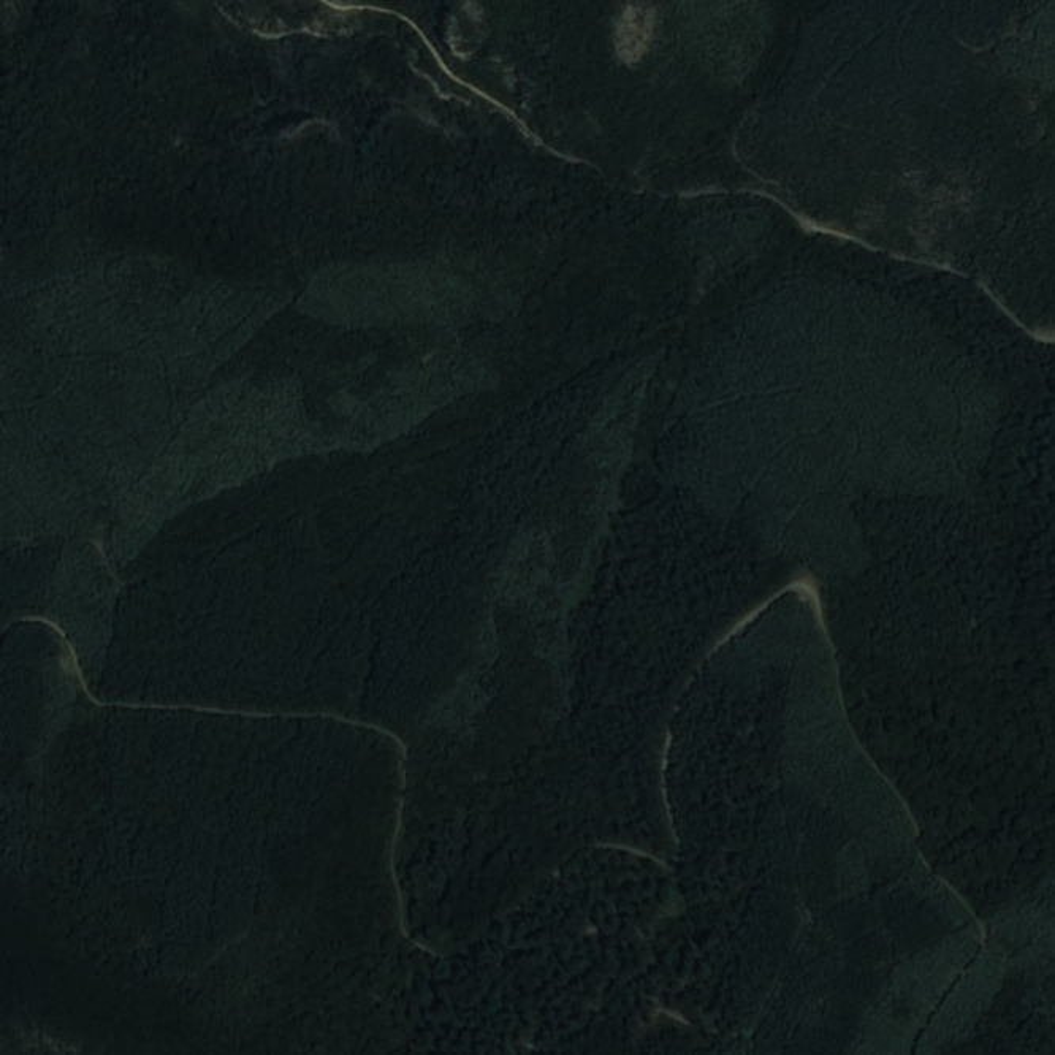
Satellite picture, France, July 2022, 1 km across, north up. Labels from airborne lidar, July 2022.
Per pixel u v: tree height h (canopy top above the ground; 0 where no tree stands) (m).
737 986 20
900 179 6
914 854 13
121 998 21
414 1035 10
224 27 7
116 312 7
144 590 12
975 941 10
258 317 11
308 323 12
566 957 22
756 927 20
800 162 6
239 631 16
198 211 22
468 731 17
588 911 23
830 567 12
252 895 19
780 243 12
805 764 15
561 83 13
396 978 17
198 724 14
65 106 7
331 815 17
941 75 10
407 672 16
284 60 6
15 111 13
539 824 17
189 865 21
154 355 9
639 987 20
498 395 14
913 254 6
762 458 9
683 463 10
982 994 16
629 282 10
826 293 10
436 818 17
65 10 12
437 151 18
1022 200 11
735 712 16
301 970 15
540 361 13
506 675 23
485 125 9
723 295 14
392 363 17
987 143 12
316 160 12
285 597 16
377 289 10
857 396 10
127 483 11
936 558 25
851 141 9
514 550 11
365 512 15
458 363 13
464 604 17
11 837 22
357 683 14
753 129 7
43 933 20
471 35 11
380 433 15
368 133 12
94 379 8
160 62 13
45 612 16
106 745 19
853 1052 19
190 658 19
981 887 22
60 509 10
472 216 8
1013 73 14
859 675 18
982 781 22
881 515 19
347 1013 14
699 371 13
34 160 13
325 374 15
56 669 11
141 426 9
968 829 7
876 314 10
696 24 12
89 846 18
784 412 9
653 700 20
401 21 10
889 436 12
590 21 12
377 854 13
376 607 23
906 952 17
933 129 9
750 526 12
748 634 11
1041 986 14
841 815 15
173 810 15
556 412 18
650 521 14
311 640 19
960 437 12
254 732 12
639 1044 7
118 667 22
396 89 14
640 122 13
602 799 15
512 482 20
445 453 14
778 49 12
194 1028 18
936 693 27
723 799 19
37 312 14
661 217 17
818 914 17
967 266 11
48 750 11
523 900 15
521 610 16
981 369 11
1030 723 30
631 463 7
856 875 17
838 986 22
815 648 11
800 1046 21
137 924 12
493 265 7
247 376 11
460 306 12
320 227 15
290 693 19
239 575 17
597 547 18
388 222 9
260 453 11
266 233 16
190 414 10
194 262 6
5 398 8
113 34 13
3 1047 7
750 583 14
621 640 23
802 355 10
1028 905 20
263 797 14
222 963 9
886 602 24
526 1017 23
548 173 20
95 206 10
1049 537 17
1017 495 27
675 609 17
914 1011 14
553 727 21
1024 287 15
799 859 12
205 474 9
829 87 11
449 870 35
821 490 10
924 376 12
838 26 13
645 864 13
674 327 12
